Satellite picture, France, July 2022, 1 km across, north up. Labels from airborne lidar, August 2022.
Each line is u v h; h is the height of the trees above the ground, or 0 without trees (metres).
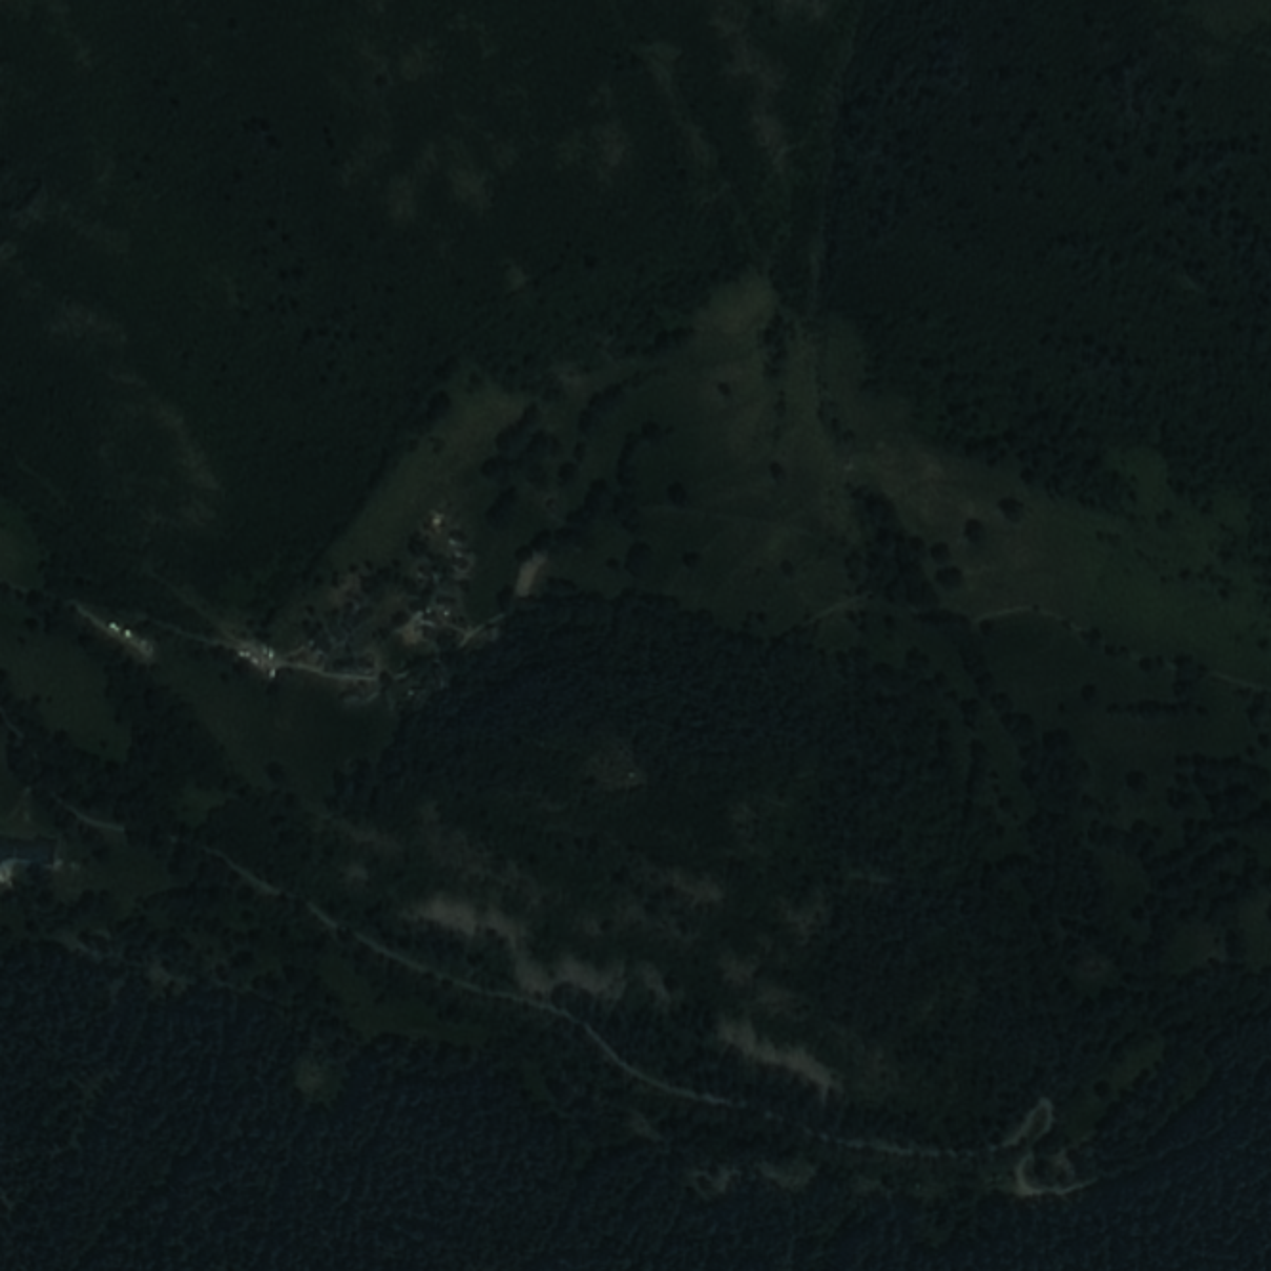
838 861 14
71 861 0
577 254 6
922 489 0
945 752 15
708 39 6
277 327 7
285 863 13
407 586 9
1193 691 17
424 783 6
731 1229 26
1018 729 19
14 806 0
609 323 14
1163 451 7
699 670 25
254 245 6
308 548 10
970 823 20
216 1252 17
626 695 18
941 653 0
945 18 7
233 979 7
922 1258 26
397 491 0
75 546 6
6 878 0
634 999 7
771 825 9
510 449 18
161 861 6
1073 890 12
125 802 19
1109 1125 13
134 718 11
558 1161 29
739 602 0
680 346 19
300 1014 14
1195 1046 25
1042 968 20
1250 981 23
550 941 8
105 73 7
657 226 8
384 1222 11
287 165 6
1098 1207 18
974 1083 12
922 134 8
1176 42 5
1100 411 10
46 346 6
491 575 0
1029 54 7
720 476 0
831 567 0
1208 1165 25
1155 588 0
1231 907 19
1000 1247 27
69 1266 16
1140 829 14
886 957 16
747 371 0
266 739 0
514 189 7
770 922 7
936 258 7
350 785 16
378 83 10
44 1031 27
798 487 0
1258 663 0
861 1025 10
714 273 17
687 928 14
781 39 7
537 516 0
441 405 19
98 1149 23
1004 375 10
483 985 14
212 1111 33
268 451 7
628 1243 11
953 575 14
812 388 0
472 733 11
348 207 6
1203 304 6
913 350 9
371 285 7
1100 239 8
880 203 8
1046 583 0
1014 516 21
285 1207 20
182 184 10
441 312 6
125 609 9
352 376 9
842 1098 5
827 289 7
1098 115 8
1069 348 14
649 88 10
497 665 17
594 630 23
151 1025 7
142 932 13
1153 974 21
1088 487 15
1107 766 0
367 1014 0
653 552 12
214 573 10
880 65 7
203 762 15
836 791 24
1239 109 7
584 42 8
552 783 8
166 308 7
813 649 18
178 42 6
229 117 7
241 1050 27
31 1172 14
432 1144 28
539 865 7
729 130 8
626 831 7
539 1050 18
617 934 9
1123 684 0
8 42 5
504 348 7
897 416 0
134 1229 17
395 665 0
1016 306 7
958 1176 15
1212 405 8
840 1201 18
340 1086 0
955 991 7
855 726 15
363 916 6
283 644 0
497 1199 24
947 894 21
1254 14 0
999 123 6
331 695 0
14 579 0
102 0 7
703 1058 22
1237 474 7
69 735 8
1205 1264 17
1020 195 7
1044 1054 16
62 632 9
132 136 7
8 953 9
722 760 17
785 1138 19
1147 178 8
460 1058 14
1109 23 8
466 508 0
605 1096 6
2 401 9
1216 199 18
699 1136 24
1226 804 20
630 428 0
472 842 8
